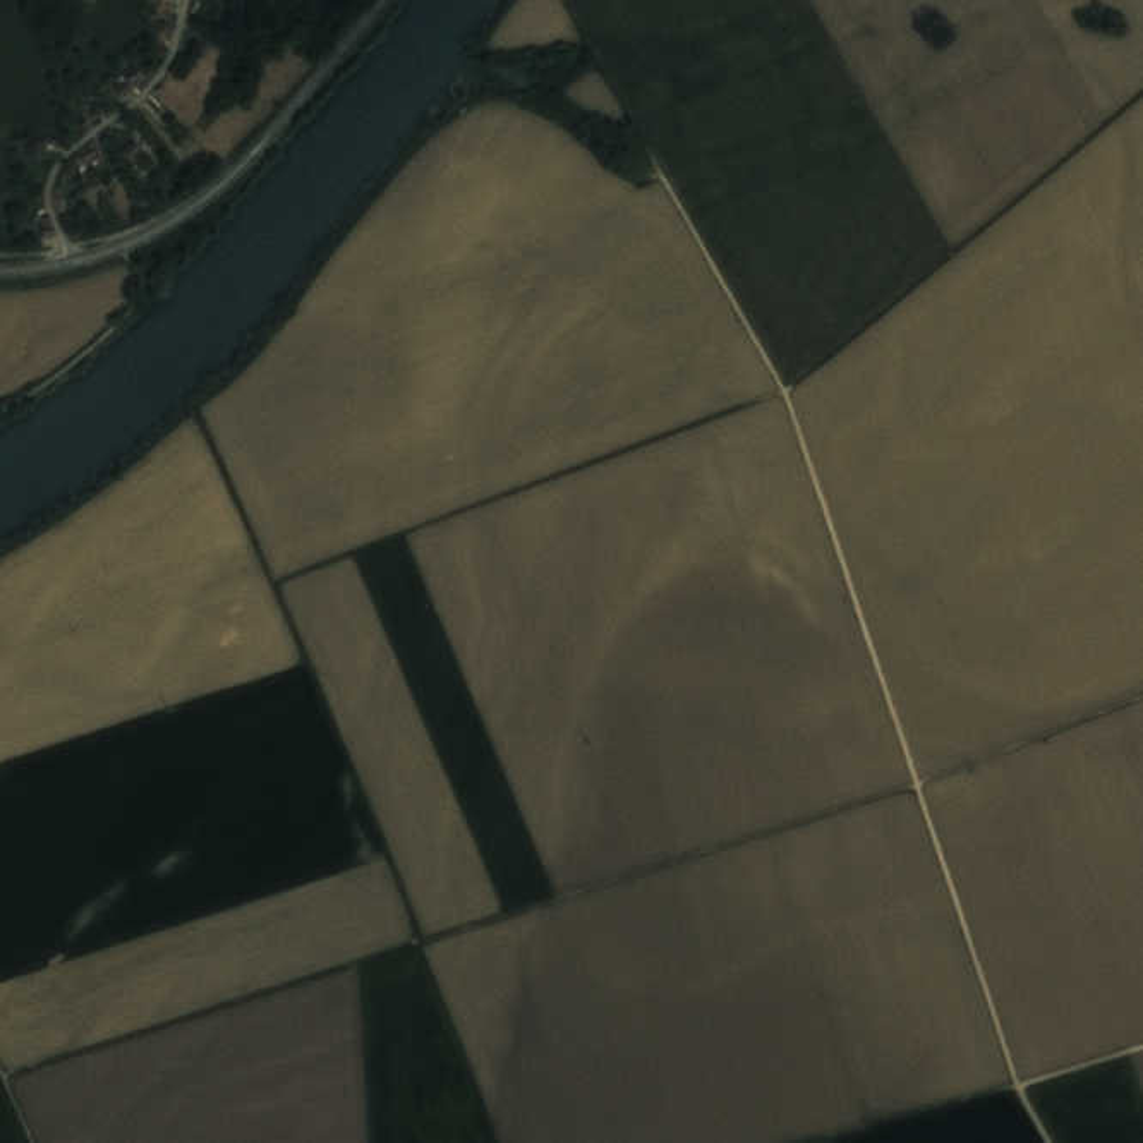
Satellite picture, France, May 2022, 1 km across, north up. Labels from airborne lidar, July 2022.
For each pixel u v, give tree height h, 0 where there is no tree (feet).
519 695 0
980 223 0
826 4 0
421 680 0
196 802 0
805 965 0
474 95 20
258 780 0
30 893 0
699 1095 0
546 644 0
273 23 114
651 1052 0
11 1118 0
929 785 0
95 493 38
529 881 0
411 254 0
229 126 0
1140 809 0
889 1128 0
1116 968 0
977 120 0
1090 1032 0
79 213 48
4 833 0
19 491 0
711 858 0
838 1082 0
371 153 0
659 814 0
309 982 0
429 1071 0
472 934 0
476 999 0
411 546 0
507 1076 0
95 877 0
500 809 0
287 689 0
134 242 0
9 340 0
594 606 0
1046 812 0
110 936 0
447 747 0
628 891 0
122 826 0
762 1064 0
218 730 0
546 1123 0
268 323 39
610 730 0
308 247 0
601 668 0
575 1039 0
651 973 0
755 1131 0
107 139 22
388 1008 0
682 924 0
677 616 0
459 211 0
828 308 0
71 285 0
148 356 0
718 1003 0
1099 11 20
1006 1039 0
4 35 0
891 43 0
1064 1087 0
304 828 0
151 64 25
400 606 0
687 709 0
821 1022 0
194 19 38
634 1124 0
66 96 0
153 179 31
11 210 48
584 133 23
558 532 0
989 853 0
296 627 0
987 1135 0
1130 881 0
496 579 0
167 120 34
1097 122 0
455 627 0
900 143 0
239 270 0
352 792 0
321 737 0
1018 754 0
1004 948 0
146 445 33
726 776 0
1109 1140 0
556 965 0
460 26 0
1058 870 0
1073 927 0
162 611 0
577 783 0
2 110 0
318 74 0
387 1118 0
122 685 0
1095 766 0
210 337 0
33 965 0
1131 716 0
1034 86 0
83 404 0
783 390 0
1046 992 0
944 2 0
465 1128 0
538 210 0
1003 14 0
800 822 0
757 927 0
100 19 0
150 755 0
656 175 0
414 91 0
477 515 0
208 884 0
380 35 40
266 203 0
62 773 0
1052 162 0
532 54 19
